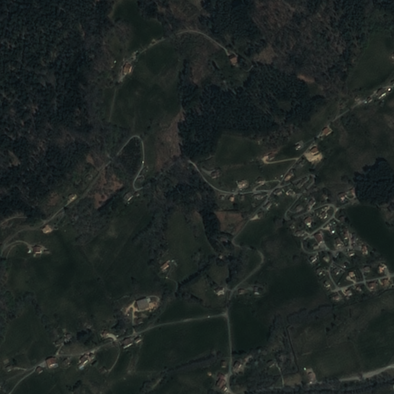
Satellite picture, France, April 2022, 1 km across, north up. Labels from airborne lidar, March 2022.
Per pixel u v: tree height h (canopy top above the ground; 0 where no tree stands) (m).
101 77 22
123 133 17
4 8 27
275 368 0
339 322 18
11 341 0
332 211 0
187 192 36
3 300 33
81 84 19
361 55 9
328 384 19
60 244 0
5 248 0
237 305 0
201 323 0
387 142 0
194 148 27
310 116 28
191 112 26
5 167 28
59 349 0
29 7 22
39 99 29
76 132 33
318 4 26
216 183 0
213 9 32
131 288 0
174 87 0
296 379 0
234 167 0
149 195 17
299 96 27
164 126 0
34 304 24
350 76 22
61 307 0
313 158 0
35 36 19
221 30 31
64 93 22
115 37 15
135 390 0
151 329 0
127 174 23
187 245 0
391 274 0
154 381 9
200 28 25
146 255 0
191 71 21
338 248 0
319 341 0
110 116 0
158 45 0
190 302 10
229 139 0
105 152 30
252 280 0
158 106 0
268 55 0
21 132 29
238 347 0
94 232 15
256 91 34
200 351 0
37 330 0
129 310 0
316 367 0
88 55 33
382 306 0
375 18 23
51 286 0
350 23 32
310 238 0
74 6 29
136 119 0
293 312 0
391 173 28
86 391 0
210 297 0
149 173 0
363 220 0
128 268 0
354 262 16
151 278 0
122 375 0
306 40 25
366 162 0
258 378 15
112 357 0
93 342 9
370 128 0
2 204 23
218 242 9
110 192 11
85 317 0
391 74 0
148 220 0
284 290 0
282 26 20
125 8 0
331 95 27
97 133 33
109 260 0
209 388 0
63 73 36
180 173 32
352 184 29
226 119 32
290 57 16
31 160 27
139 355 0
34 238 0
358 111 0
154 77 0
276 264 0
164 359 0
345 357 0
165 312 0
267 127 33
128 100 0
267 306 0
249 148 0
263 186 0
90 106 31
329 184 0
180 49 6
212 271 0
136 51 0
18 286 0
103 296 0
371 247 0
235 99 36
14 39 20
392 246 0
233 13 30
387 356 0
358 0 34
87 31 17
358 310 0
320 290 0
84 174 14
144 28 0
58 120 33
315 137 0
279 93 35
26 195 23
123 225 0
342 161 0
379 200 24
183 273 0
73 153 37
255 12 25
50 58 25
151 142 0
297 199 0
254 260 0
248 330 0
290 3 22
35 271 0
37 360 0
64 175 13
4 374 0
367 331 0
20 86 28
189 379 0
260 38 31
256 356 7
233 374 0
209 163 0
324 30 28
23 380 0
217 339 0
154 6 22
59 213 0
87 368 0
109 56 22
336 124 0
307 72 29
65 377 0
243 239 0
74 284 0
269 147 10
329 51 19
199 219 0
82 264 0
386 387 16
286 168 0
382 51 0
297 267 0
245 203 0
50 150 25
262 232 0
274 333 21
